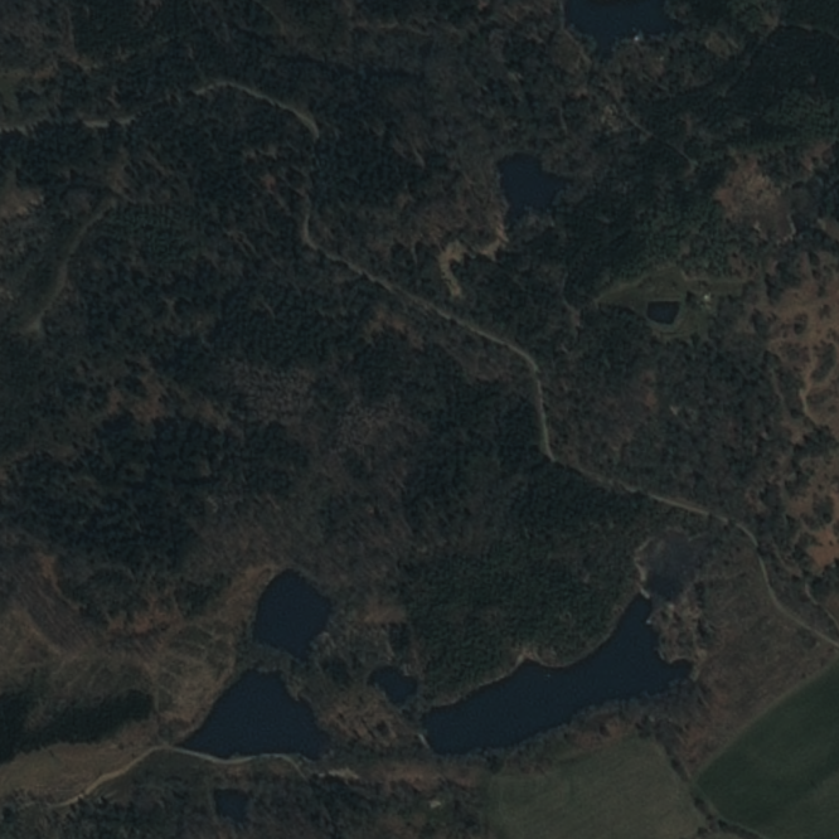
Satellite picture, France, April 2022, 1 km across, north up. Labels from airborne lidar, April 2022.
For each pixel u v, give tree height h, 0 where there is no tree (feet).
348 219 40
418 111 54
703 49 38
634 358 40
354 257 53
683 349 53
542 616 20
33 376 26
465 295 20
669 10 34
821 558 0
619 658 0
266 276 75
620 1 0
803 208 0
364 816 68
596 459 44
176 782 54
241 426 75
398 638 42
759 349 36
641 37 24
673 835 0
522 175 0
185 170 46
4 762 26
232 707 0
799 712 0
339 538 70
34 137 66
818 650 0
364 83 58
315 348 39
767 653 0
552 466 86
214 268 38
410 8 75
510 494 62
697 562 0
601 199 51
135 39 31
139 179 70
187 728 58
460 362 32
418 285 62
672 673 0
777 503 20
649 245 47
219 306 82
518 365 47
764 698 0
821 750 0
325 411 53
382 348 69
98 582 20
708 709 91
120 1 37
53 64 51
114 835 41
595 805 0
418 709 52
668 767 0
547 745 35
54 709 18
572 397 26
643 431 46
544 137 73
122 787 0
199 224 20
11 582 73
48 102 33
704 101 39
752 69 20
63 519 50
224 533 41
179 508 23
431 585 37
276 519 64
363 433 65
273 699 0
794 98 37
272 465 68
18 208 0
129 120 0
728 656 0
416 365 59
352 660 41
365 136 44
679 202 37
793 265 26
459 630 32
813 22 24
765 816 0
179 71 57
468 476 88
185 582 27
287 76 51
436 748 0
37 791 0
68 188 43
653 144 48
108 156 52
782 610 0
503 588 37
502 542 30
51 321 18
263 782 70
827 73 35
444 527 58
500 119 20
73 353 28
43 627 79
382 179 43
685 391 56
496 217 24
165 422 23
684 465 58
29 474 55
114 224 20
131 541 54
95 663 0
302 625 0
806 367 0
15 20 39
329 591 52
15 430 29
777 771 0
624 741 0
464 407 71
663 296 0
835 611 0
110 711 29
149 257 25
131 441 87
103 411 62
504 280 26
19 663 0
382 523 67
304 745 0
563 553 31
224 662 0
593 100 28
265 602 0
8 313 30
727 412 32
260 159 32
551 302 52
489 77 36
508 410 68
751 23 52
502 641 31
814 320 0
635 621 0
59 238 31
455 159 19
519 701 0
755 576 0
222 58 53
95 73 29
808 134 48
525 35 58
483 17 58
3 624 0
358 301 58
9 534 85
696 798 0
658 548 0
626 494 54
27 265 59
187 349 88
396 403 72
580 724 36
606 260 31
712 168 32
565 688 0
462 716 0
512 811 0
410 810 28
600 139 42
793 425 0
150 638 46
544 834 0
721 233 43
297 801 43
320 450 47
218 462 89
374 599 59
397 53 58
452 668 40
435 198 21
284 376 76
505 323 43
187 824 65
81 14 37
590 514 55
